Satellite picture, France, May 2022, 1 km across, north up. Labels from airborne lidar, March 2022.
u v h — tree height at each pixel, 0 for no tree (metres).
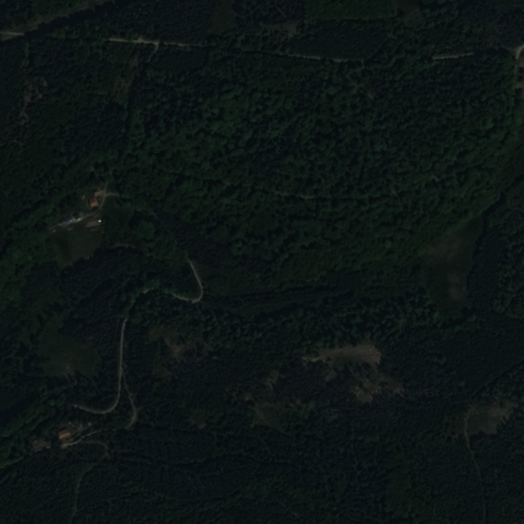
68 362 0
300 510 13
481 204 29
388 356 23
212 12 17
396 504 27
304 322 20
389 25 10
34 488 8
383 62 9
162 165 22
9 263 30
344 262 32
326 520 12
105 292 31
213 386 20
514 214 26
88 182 23
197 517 9
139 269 16
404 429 17
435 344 14
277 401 27
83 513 5
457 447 16
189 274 24
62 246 0
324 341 26
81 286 33
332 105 11
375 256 26
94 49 20
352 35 11
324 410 26
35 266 34
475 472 15
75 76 20
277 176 28
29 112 14
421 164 25
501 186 7
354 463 17
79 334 33
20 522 14
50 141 19
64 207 16
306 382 29
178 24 20
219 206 29
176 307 28
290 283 14
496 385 16
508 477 18
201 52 12
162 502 10
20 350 14
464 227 0
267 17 11
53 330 0
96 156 26
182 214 26
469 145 24
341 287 17
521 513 11
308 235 35
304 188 28
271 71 21
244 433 17
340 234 32
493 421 0
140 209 25
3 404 8
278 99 28
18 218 25
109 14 30
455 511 14
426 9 22
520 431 20
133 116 29
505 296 21
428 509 28
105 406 17
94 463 9
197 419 0
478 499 14
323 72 12
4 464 16
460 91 23
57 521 11
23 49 16
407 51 5
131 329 15
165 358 22
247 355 20
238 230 30
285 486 15
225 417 23
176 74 14
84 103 11
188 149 29
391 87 12
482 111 22
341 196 19
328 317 34
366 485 13
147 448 17
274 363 16
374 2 27
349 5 28
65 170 25
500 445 14
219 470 18
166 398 14
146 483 15
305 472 14
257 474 12
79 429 0
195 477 16
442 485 20
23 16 22
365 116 26
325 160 29
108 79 11
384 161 17
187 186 27
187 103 29
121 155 28
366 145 26
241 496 10
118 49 8
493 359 14
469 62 10
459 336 15
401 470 28
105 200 0
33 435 15
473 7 27
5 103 20
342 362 0
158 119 30
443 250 0
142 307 25
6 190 7
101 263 34
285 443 15
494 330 15
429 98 22
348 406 25
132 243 8
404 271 7
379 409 26
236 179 19
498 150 26
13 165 8
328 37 12
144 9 24
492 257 15
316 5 27
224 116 31
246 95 15
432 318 28
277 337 17
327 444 18
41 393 27
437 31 9
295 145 19
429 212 24
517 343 15
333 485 21
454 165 29
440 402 18
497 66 19
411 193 27
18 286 31
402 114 11
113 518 9
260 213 31
